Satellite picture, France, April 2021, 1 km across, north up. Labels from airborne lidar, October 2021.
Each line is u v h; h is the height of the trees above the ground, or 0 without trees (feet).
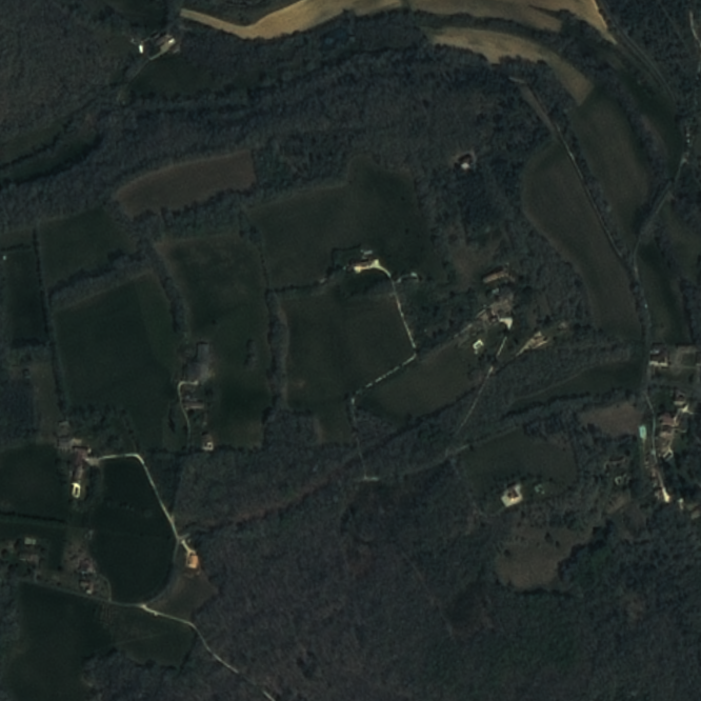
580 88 0
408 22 38
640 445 62
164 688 45
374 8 0
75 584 0
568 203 0
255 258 0
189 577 0
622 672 60
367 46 41
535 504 43
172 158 46
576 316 42
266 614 54
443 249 63
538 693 49
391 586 49
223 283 0
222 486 68
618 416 0
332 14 0
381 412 0
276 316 43
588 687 51
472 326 34
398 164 51
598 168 0
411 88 50
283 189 29
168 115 32
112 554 0
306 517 56
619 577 42
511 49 0
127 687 54
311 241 0
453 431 60
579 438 51
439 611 56
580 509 39
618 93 66
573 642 61
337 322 0
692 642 55
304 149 38
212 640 49
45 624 0
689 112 29
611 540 66
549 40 70
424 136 46
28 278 0
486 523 39
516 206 51
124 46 0
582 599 73
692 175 17
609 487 49
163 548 0
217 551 63
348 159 34
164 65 0
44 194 63
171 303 37
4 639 71
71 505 31
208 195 0
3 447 51
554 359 52
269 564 54
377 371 0
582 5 0
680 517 65
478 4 0
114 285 45
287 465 87
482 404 63
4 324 36
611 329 0
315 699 47
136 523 0
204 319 0
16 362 28
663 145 0
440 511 61
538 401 0
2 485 0
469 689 60
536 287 43
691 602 56
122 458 61
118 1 0
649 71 29
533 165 0
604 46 21
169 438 0
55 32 46
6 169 31
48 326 41
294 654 57
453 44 0
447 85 36
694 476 31
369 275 0
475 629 33
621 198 0
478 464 0
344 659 73
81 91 44
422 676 54
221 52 64
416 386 0
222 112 27
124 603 0
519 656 84
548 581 0
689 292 61
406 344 0
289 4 0
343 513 62
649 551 44
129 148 42
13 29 43
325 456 61
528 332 34
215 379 0
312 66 50
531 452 0
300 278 0
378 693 22
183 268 0
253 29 0
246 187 0
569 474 0
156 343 0
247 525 47
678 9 29
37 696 0
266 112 50
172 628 0
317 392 0
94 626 0
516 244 67
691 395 0
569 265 26
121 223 49
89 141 0
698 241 0
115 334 0
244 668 44
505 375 65
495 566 51
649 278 0
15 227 47
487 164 63
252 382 0
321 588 54
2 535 0
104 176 63
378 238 0
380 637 75
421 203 48
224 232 57
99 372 0
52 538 0
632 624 33
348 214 0
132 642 0
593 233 0
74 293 65
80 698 0
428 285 38
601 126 0
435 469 35
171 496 59
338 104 54
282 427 78
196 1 46
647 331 49
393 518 63
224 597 53
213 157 54
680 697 58
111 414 49
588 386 0
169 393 0
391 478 81
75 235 0
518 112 72
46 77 43
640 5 46
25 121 54
